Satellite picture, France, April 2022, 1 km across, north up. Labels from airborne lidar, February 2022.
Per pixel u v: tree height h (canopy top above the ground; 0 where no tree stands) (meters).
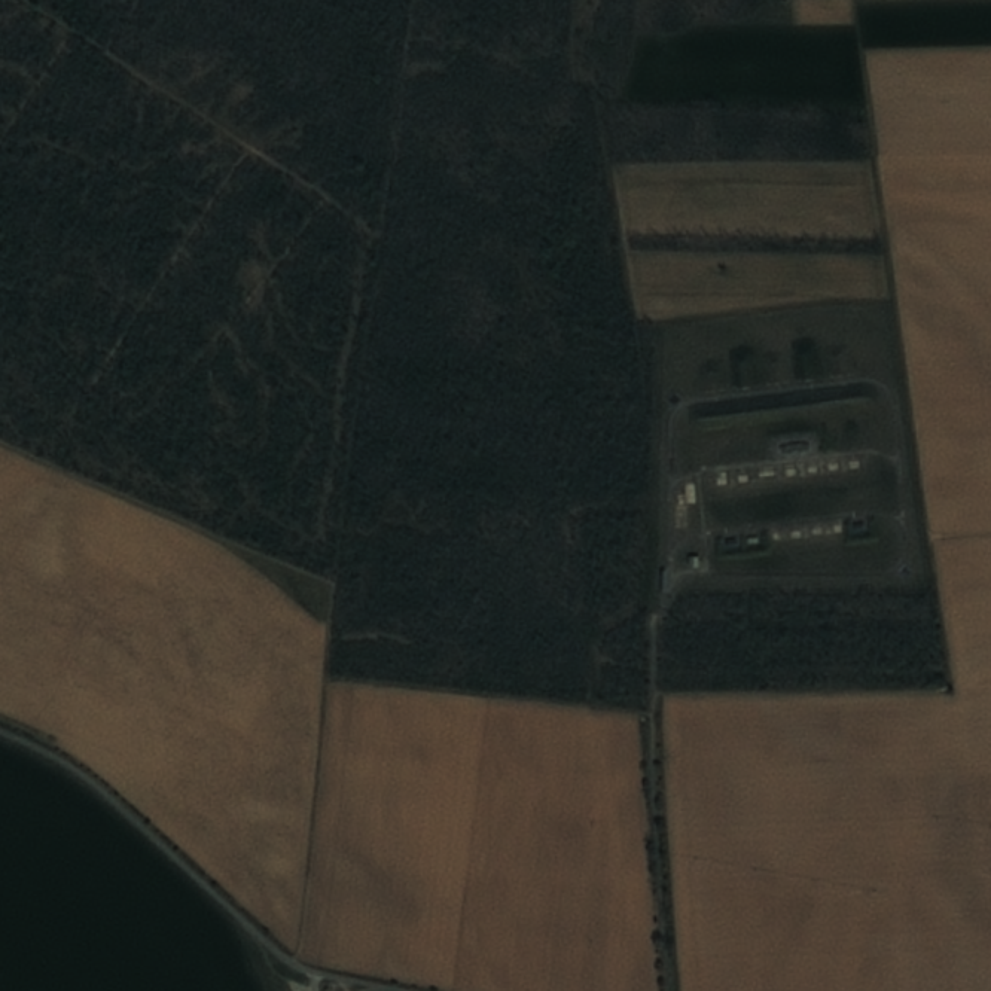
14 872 0
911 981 0
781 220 0
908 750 0
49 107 11
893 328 0
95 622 0
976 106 0
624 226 0
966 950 0
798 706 0
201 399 12
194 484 10
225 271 11
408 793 0
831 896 0
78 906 0
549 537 8
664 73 0
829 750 0
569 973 0
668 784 0
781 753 0
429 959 0
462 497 9
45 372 11
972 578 0
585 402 11
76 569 0
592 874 0
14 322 11
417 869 0
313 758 0
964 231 0
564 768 0
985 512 0
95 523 0
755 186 0
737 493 0
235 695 0
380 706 0
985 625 0
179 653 0
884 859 0
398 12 6
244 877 0
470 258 11
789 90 0
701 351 0
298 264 9
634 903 0
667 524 0
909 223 0
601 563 8
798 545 0
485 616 10
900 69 0
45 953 0
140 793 0
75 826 0
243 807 0
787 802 0
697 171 0
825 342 0
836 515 0
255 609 0
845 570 0
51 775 0
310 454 15
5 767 0
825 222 0
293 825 0
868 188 0
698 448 0
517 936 0
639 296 0
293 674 0
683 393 0
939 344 0
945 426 0
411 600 8
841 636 12
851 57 0
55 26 10
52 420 8
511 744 0
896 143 0
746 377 0
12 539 0
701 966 0
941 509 0
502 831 0
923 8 0
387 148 12
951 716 0
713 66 0
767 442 0
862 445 0
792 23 0
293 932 0
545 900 0
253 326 7
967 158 0
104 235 13
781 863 0
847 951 0
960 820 0
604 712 0
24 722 0
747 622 12
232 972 0
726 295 0
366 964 0
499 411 10
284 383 8
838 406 0
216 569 0
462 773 0
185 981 0
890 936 0
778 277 0
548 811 0
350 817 0
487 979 0
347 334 13
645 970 0
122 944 0
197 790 0
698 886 0
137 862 0
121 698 0
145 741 0
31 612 0
